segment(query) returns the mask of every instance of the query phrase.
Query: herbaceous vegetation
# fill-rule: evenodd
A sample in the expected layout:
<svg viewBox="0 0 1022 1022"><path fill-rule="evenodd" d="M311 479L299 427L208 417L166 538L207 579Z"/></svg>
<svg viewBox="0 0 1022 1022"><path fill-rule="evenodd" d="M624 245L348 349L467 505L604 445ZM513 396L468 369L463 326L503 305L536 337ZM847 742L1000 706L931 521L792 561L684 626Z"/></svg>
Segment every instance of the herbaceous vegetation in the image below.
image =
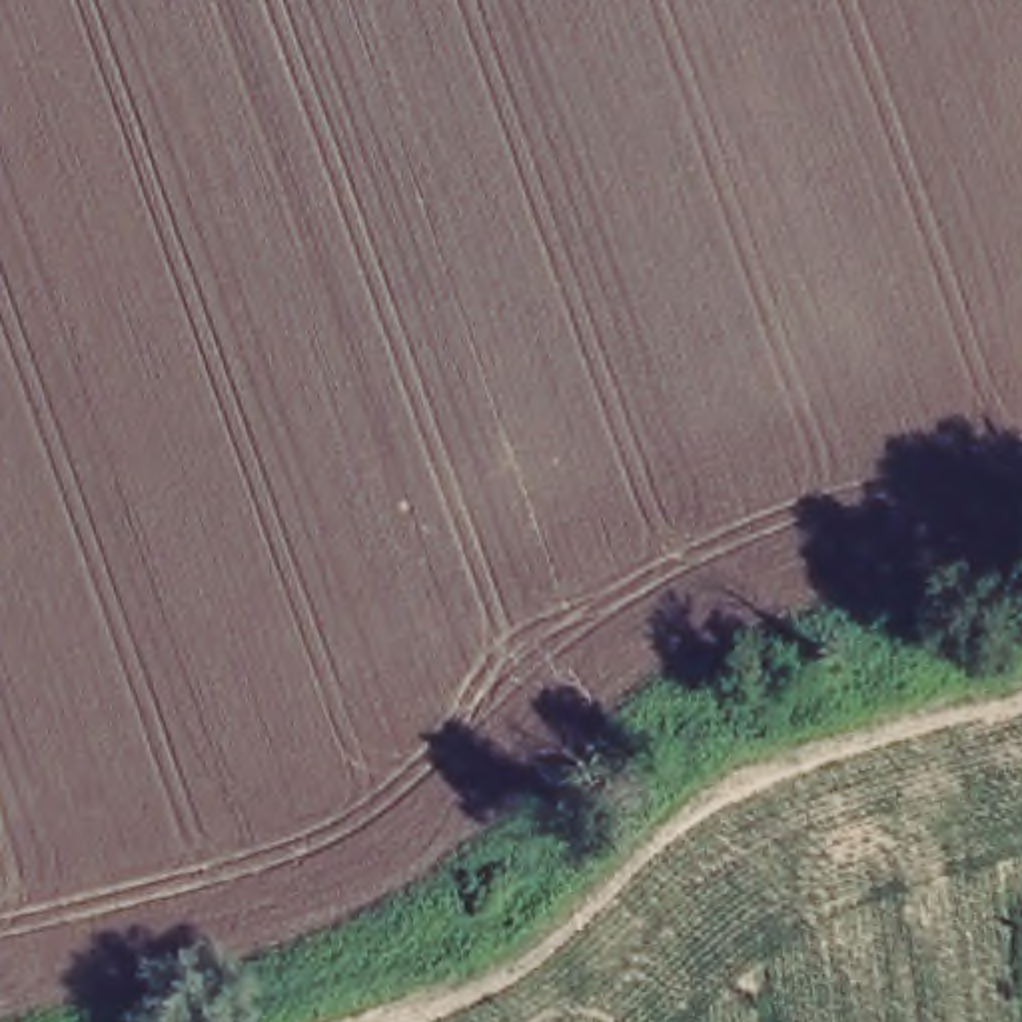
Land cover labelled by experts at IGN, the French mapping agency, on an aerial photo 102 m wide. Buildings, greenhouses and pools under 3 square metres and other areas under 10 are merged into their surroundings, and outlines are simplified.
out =
<svg viewBox="0 0 1022 1022"><path fill-rule="evenodd" d="M770 763L778 751L890 723L898 715L970 707L1022 691L1022 659L1002 679L970 679L946 659L934 659L922 647L930 627L922 623L914 587L890 571L890 591L862 619L854 619L842 607L830 607L810 619L798 619L794 627L818 639L822 651L822 659L814 659L822 687L818 703L802 703L798 711L786 711L778 703L770 715L751 715L743 703L715 699L703 687L683 687L671 679L647 687L619 711L619 719L611 719L595 735L591 755L627 767L639 751L663 751L667 743L683 743L683 755L675 759L655 755L655 774L647 774L643 802L599 798L615 822L615 850L603 858L587 858L583 866L571 866L567 842L539 830L551 818L555 798L527 798L483 842L459 854L463 866L467 870L499 862L491 898L475 914L463 914L463 902L455 898L455 878L447 878L443 870L415 894L387 902L375 914L363 914L331 934L319 934L299 950L263 954L252 962L259 978L259 1022L339 1022L359 1018L375 1006L403 1002L411 990L455 990L519 958L559 918L567 918L599 882L607 882L615 862L635 854L663 822L671 822L687 802L699 798L699 790L723 782L731 770Z"/></svg>
<svg viewBox="0 0 1022 1022"><path fill-rule="evenodd" d="M1022 898L1010 894L1006 910L1006 962L1010 978L1018 978L1014 998L1022 1010Z"/></svg>
<svg viewBox="0 0 1022 1022"><path fill-rule="evenodd" d="M128 1022L128 1014L140 1002L148 1002L140 966L124 970L124 982L108 1002L108 1022Z"/></svg>

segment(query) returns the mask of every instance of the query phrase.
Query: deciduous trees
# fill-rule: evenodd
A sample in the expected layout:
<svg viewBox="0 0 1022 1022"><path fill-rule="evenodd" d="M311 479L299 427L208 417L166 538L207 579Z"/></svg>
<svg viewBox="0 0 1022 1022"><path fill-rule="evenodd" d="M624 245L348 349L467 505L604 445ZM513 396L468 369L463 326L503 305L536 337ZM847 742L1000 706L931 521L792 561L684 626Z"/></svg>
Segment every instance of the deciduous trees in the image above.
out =
<svg viewBox="0 0 1022 1022"><path fill-rule="evenodd" d="M567 842L571 866L583 866L587 858L603 858L615 850L615 822L599 798L643 802L647 774L655 774L655 755L675 759L683 755L683 743L667 743L663 751L639 751L627 767L591 755L571 770L571 778L559 782L555 798L551 818L539 830Z"/></svg>
<svg viewBox="0 0 1022 1022"><path fill-rule="evenodd" d="M751 715L770 715L778 703L786 711L798 711L802 703L818 703L822 687L814 659L822 659L822 651L818 639L794 627L786 639L739 635L723 675L703 687L715 699L743 703Z"/></svg>
<svg viewBox="0 0 1022 1022"><path fill-rule="evenodd" d="M914 587L922 623L930 627L922 647L934 659L946 659L970 679L1002 679L1022 659L1022 559L1014 567L986 575L966 563L946 563L930 575L922 571Z"/></svg>
<svg viewBox="0 0 1022 1022"><path fill-rule="evenodd" d="M192 946L184 946L176 958L148 958L140 966L148 1002L140 1002L128 1014L128 1022L259 1022L259 978L252 962L240 958L228 942L208 946L208 938L192 934Z"/></svg>
<svg viewBox="0 0 1022 1022"><path fill-rule="evenodd" d="M455 898L463 902L463 914L475 914L491 898L499 862L467 870L463 866L443 862L443 870L447 878L455 878Z"/></svg>

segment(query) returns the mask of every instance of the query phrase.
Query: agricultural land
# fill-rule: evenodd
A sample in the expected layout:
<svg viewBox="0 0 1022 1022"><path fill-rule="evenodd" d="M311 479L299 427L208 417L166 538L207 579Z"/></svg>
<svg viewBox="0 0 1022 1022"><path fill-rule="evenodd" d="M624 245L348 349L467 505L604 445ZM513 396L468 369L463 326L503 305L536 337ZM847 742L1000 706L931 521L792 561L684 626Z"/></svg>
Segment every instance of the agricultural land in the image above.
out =
<svg viewBox="0 0 1022 1022"><path fill-rule="evenodd" d="M794 627L798 619L810 619L830 607L842 607L854 619L862 619L890 591L890 571L914 587L922 571L930 575L946 563L966 563L986 575L1014 567L1022 559L1022 0L0 0L0 1022L108 1022L108 1002L124 982L124 970L140 966L148 958L176 958L184 946L192 946L192 934L208 938L208 946L228 942L240 958L252 962L263 954L299 950L319 934L331 934L363 914L375 914L387 902L415 894L443 870L443 862L463 866L459 854L483 842L527 798L555 798L559 782L571 778L571 770L591 755L595 735L611 719L619 719L619 711L647 687L671 679L683 687L703 687L723 675L739 635L786 639Z"/></svg>
<svg viewBox="0 0 1022 1022"><path fill-rule="evenodd" d="M547 958L527 978L435 1022L1022 1022L1022 1010L1014 998L1018 978L1010 978L1006 962L1006 910L1010 894L1022 898L1022 715L994 727L958 723L854 759L834 759L810 774L774 782L763 794L723 806L719 814L687 830L679 842L671 842L659 858L651 858L635 874L635 882L603 914L595 914L555 958Z"/></svg>

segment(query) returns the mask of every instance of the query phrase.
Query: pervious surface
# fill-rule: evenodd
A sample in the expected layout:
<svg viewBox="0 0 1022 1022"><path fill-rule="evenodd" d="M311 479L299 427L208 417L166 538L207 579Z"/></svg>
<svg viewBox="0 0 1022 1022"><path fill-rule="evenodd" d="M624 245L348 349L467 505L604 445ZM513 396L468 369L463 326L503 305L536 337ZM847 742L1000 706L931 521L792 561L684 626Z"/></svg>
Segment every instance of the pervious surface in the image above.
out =
<svg viewBox="0 0 1022 1022"><path fill-rule="evenodd" d="M810 774L834 759L854 759L958 723L994 727L1022 715L1022 691L970 707L898 715L890 723L778 751L770 763L731 770L723 782L699 790L699 798L687 802L671 822L663 822L635 854L615 862L607 882L599 882L567 918L559 918L519 958L455 990L411 990L403 1002L375 1006L359 1018L339 1022L435 1022L527 978L547 958L555 958L595 914L603 914L635 882L635 874L651 858L659 858L671 842L679 842L687 830L719 814L723 806L763 794L774 782Z"/></svg>

